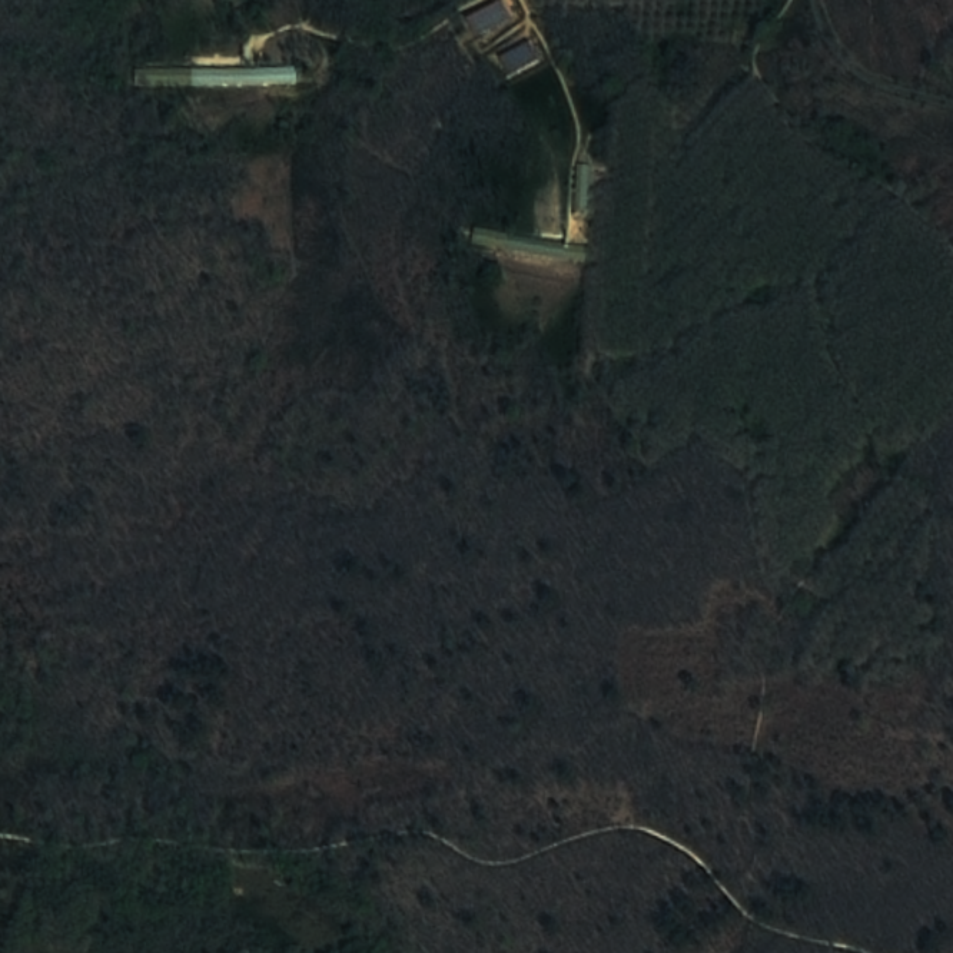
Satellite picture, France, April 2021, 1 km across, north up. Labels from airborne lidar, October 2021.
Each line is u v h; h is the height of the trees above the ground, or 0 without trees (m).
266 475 12
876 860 11
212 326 13
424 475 15
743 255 18
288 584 11
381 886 23
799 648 14
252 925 10
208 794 19
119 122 6
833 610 14
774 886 15
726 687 19
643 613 18
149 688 7
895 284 24
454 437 16
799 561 19
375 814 12
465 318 17
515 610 14
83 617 12
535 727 13
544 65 0
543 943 12
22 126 16
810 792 17
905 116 9
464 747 14
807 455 19
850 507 7
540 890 14
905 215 22
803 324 24
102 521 17
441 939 19
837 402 23
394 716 12
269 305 13
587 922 13
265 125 0
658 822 15
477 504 15
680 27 9
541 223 0
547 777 16
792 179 21
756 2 8
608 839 12
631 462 8
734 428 16
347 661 11
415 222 11
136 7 24
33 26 15
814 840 15
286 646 10
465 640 14
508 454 13
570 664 16
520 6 0
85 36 20
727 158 17
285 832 20
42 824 21
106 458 17
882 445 15
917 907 14
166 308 19
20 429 16
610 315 15
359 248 10
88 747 17
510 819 10
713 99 8
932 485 9
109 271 10
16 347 10
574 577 18
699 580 17
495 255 0
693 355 21
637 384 19
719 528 15
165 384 19
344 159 23
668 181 16
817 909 16
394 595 20
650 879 13
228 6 15
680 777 12
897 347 24
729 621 17
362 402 16
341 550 16
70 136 12
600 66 17
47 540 10
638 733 14
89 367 19
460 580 16
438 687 10
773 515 20
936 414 20
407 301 6
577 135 0
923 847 13
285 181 6
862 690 18
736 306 13
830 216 15
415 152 8
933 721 15
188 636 8
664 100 17
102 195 11
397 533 16
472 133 16
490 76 14
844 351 22
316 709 9
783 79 8
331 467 22
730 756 14
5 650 8
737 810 14
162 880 19
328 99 8
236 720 10
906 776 5
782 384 21
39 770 8
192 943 18
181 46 0
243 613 12
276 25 18
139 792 16
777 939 13
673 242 17
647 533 18
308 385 8
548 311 0
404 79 20
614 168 10
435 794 10
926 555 17
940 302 25
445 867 20
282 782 18
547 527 14
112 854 21
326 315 10
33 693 17
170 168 17
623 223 17
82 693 12
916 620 14
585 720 14
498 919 17
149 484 11
